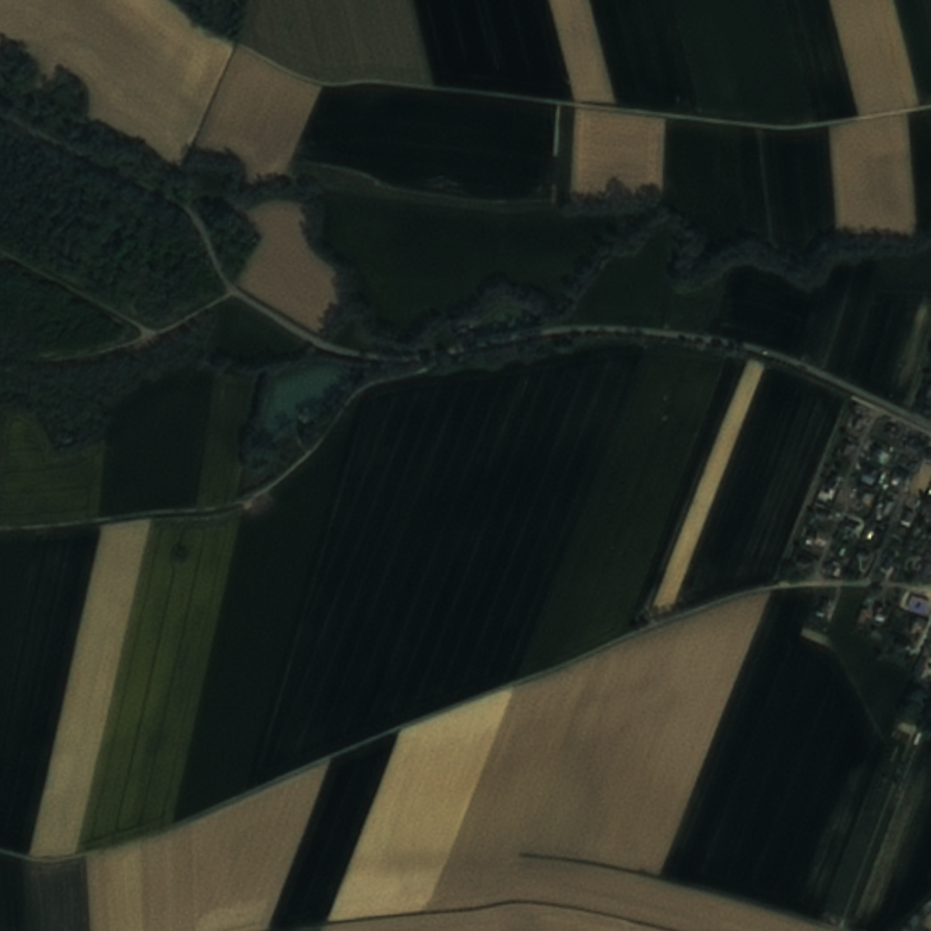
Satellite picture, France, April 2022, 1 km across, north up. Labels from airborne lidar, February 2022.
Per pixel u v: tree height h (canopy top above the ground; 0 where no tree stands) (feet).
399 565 0
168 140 0
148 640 0
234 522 0
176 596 0
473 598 0
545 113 0
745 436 0
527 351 65
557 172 0
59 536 0
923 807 0
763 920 0
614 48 0
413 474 0
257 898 0
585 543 0
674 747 0
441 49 0
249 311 0
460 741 0
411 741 0
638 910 0
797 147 0
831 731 0
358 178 0
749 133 0
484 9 0
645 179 0
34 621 0
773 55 0
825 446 0
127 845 0
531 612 0
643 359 0
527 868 0
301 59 0
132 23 0
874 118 0
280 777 0
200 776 0
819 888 0
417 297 0
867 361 0
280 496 0
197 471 0
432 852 0
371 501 0
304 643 0
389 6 0
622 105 0
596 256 35
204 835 0
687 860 0
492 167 0
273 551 0
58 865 0
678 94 0
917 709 58
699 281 64
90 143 81
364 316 76
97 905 0
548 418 0
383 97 0
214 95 0
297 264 0
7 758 0
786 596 0
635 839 0
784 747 0
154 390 0
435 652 0
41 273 0
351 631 0
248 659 0
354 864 0
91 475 0
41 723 0
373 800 0
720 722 0
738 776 0
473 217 0
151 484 0
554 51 0
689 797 0
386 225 0
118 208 103
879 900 0
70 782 0
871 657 0
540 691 0
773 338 0
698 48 0
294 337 0
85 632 0
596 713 0
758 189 0
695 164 0
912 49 0
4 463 0
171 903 0
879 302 0
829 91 0
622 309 0
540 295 59
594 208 56
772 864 0
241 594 0
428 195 0
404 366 71
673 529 0
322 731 0
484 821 0
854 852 0
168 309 50
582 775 0
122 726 0
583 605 0
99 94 0
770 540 0
